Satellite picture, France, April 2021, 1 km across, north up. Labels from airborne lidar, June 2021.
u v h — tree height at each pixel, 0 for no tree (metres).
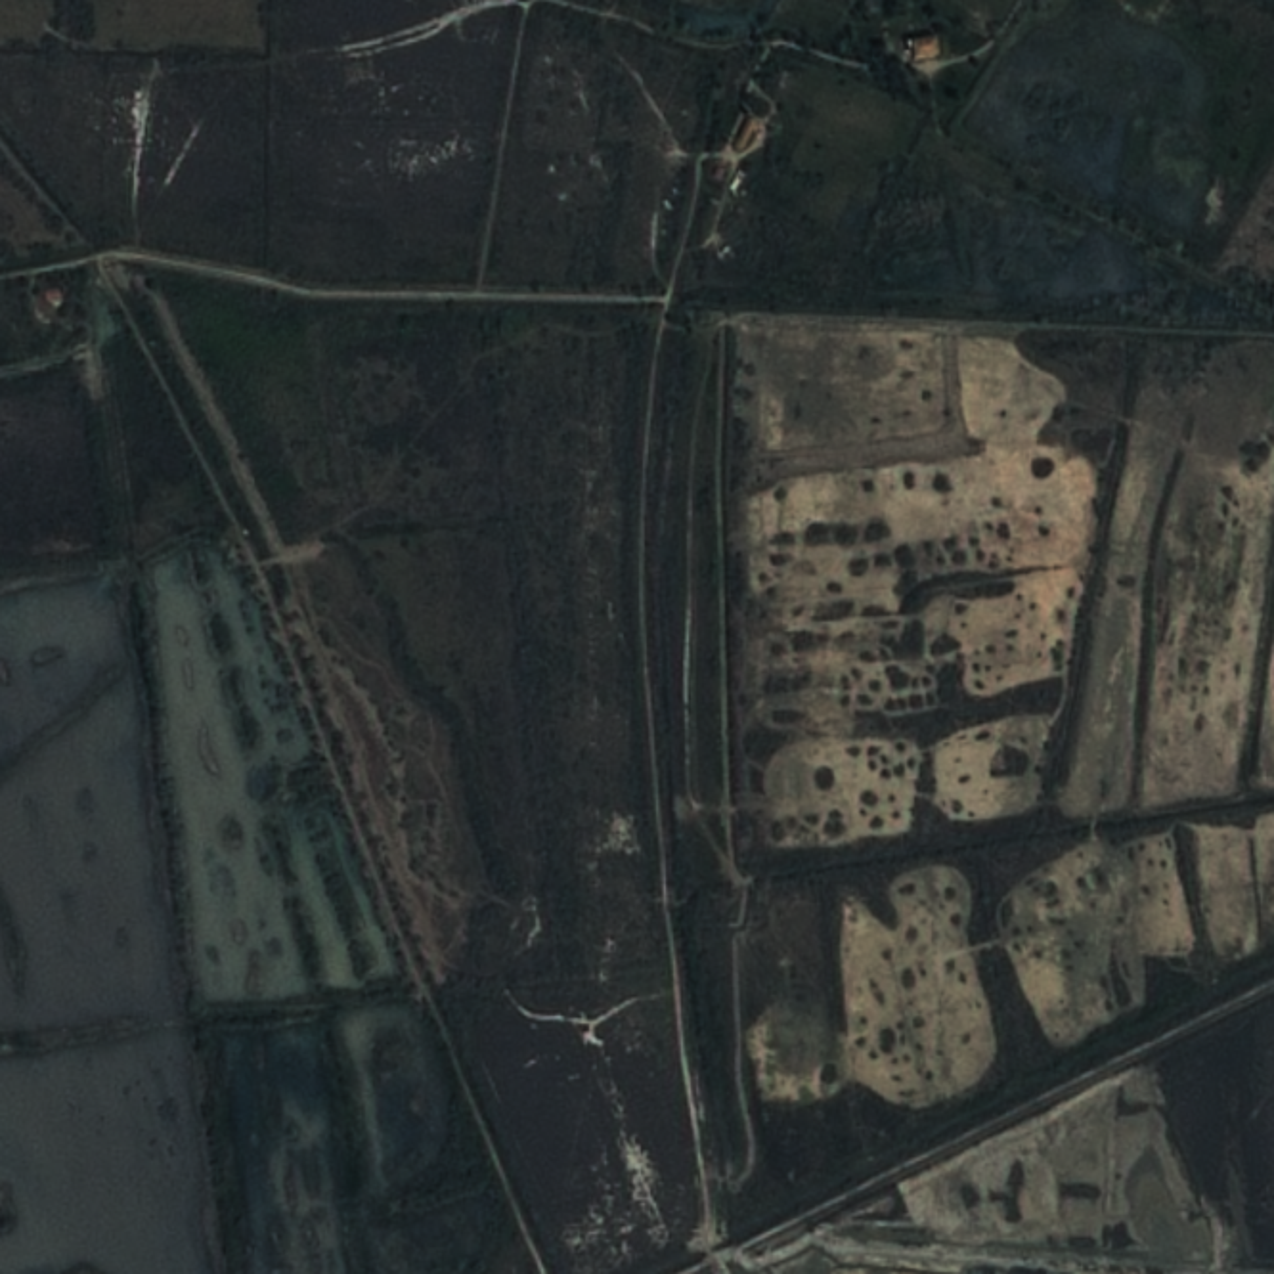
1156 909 0
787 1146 0
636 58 0
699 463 0
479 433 0
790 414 0
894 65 11
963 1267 0
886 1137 0
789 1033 0
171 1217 0
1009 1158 0
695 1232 0
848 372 0
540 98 0
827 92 0
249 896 0
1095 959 0
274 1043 0
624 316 6
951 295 0
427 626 0
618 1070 0
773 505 0
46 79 0
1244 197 0
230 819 0
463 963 0
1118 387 0
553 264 0
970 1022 0
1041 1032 0
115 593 0
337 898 7
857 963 0
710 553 0
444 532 0
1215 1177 0
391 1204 0
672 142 0
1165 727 0
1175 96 0
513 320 7
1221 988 0
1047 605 0
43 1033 0
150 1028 0
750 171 7
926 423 0
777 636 0
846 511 0
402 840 0
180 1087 0
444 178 0
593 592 0
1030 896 0
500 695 0
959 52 0
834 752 0
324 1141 0
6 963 0
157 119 0
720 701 0
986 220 0
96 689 0
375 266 0
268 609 7
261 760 0
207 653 0
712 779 0
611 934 0
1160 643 0
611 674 0
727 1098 0
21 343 0
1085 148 0
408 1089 0
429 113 0
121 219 0
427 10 0
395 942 6
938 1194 0
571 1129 0
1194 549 0
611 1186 0
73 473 0
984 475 0
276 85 0
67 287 7
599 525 0
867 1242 0
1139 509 0
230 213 0
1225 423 0
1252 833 0
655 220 0
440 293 0
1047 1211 0
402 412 0
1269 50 0
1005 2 0
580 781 0
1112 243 0
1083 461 0
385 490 0
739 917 0
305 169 0
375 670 0
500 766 0
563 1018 0
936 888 0
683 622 0
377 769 0
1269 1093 0
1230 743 0
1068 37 0
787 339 0
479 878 0
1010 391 0
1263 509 0
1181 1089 0
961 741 0
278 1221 0
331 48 0
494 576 0
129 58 0
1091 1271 0
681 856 6
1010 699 0
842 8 0
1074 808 0
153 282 10
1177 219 0
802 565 0
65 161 0
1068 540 0
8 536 0
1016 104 0
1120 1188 0
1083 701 0
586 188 0
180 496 0
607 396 0
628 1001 0
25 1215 0
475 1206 0
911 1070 0
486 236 0
